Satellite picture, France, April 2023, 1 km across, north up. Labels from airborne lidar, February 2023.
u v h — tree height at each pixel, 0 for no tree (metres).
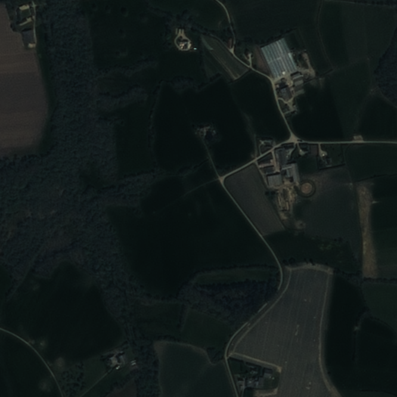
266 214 0
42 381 0
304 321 0
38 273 19
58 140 10
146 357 15
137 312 0
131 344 8
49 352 0
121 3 0
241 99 0
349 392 0
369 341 0
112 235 11
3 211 15
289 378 0
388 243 0
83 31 14
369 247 0
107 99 11
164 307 0
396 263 0
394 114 0
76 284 0
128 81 0
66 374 7
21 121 0
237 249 0
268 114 0
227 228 0
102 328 0
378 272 0
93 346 0
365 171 0
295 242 0
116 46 0
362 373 0
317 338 0
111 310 14
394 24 0
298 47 0
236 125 0
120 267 7
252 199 0
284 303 0
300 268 0
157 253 0
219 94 0
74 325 0
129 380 15
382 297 0
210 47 0
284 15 0
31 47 0
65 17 13
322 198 0
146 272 0
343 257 0
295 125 0
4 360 0
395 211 0
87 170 6
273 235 0
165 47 8
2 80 0
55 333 0
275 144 0
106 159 11
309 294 0
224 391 0
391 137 0
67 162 8
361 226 0
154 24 0
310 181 0
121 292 11
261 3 0
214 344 0
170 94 0
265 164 0
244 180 0
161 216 0
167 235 0
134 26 0
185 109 0
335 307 0
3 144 0
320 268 0
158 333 0
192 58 0
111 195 13
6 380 0
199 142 0
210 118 0
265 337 0
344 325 0
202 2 0
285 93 0
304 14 0
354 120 0
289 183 0
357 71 0
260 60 0
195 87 8
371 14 0
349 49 0
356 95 0
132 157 0
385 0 0
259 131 0
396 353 0
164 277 0
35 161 11
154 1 0
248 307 18
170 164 0
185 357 0
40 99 0
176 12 0
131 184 10
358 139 0
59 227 8
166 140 0
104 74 7
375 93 0
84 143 9
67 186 11
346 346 0
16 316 0
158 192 0
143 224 0
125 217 0
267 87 0
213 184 0
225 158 0
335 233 0
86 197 8
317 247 0
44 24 18
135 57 0
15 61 0
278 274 7
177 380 0
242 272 0
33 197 7
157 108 0
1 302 0
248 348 0
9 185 13
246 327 0
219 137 9
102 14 0
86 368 0
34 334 0
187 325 0
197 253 0
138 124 0
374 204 0
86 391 0
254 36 0
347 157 0
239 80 0
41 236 9
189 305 10
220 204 0
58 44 14
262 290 17
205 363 0
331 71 0
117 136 0
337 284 0
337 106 0
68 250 18
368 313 14
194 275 10
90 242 10
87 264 11
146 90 0
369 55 0
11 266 9
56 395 0
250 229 0
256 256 0
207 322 0
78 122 11
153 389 9
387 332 0
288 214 0
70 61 16
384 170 0
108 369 8
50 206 7
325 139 0
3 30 0
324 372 0
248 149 0
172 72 0
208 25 0
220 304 15
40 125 0
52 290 0
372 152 0
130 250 0
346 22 0
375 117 0
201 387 0
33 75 0
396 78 14
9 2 14
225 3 9
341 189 0
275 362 0
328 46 0
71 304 0
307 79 0
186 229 0
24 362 0
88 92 15
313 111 0
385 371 0
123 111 0
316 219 0
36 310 0
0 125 0
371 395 0
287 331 0
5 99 0
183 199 0
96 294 0
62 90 8
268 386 0
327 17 0
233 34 12
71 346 0
